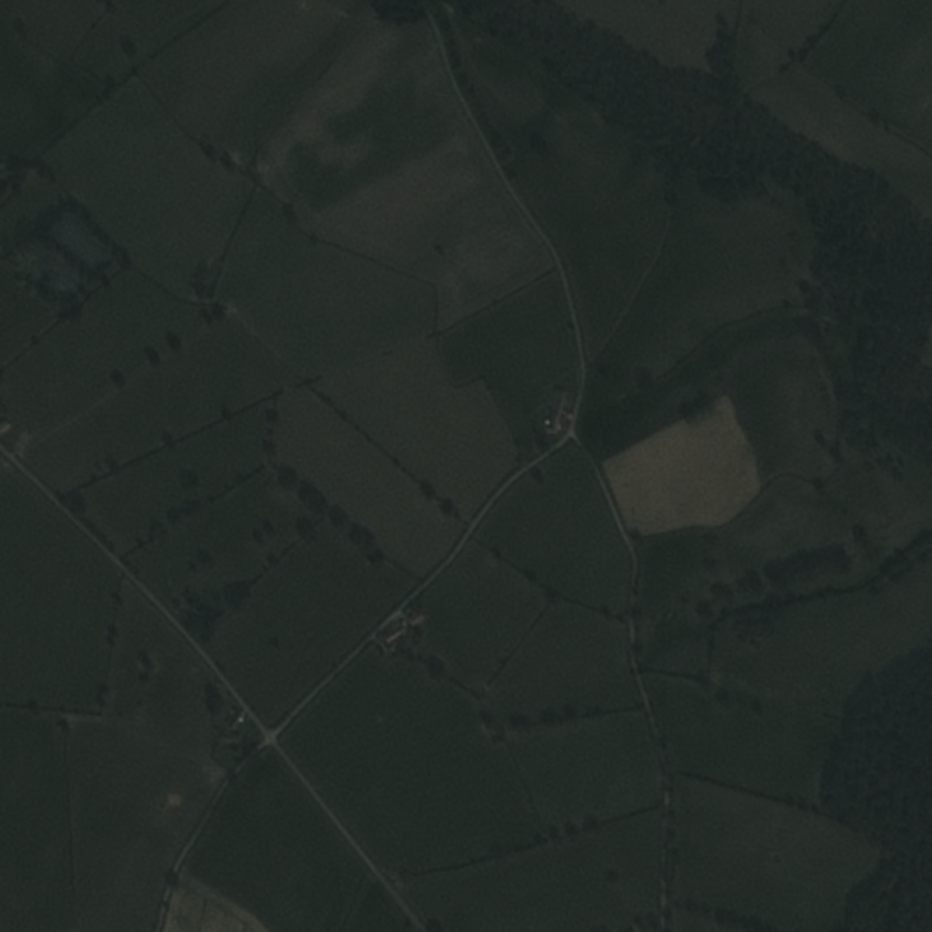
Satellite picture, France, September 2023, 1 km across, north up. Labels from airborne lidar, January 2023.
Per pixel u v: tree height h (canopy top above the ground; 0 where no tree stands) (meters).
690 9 0
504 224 0
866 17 0
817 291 9
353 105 0
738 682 0
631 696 0
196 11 0
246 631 0
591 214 0
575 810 0
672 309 0
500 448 0
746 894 0
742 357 0
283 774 0
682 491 0
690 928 0
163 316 0
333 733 0
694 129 13
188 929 0
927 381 6
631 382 0
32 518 0
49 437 0
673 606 0
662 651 0
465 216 0
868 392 17
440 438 0
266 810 0
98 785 0
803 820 0
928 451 13
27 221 0
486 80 0
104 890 0
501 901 0
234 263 0
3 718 0
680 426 0
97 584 0
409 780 0
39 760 0
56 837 0
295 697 0
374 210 0
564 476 0
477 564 0
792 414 0
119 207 0
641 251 0
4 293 0
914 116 0
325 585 0
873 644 0
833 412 0
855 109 0
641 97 14
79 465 0
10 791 0
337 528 17
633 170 0
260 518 0
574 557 0
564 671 0
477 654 0
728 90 16
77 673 0
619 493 0
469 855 0
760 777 0
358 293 0
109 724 0
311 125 0
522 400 0
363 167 0
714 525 0
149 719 0
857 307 21
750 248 0
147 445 0
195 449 0
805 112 0
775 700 0
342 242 0
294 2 0
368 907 0
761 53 0
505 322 0
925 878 20
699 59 0
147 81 0
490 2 14
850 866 0
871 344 18
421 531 0
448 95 0
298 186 0
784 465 0
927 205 0
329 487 0
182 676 0
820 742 0
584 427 0
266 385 0
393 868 0
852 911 15
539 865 0
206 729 0
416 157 0
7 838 0
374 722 0
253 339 0
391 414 0
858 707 18
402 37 0
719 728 0
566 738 0
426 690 0
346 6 0
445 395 0
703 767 0
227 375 0
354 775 0
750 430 0
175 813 0
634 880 0
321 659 0
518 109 0
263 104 0
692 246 0
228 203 0
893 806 23
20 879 0
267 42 0
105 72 0
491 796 0
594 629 0
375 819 0
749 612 8
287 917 0
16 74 0
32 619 0
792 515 0
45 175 14
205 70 0
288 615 0
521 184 0
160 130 0
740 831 0
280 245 0
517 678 0
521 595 0
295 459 0
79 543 0
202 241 0
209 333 0
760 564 0
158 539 11
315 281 0
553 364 0
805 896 0
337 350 0
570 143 0
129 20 0
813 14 0
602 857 0
